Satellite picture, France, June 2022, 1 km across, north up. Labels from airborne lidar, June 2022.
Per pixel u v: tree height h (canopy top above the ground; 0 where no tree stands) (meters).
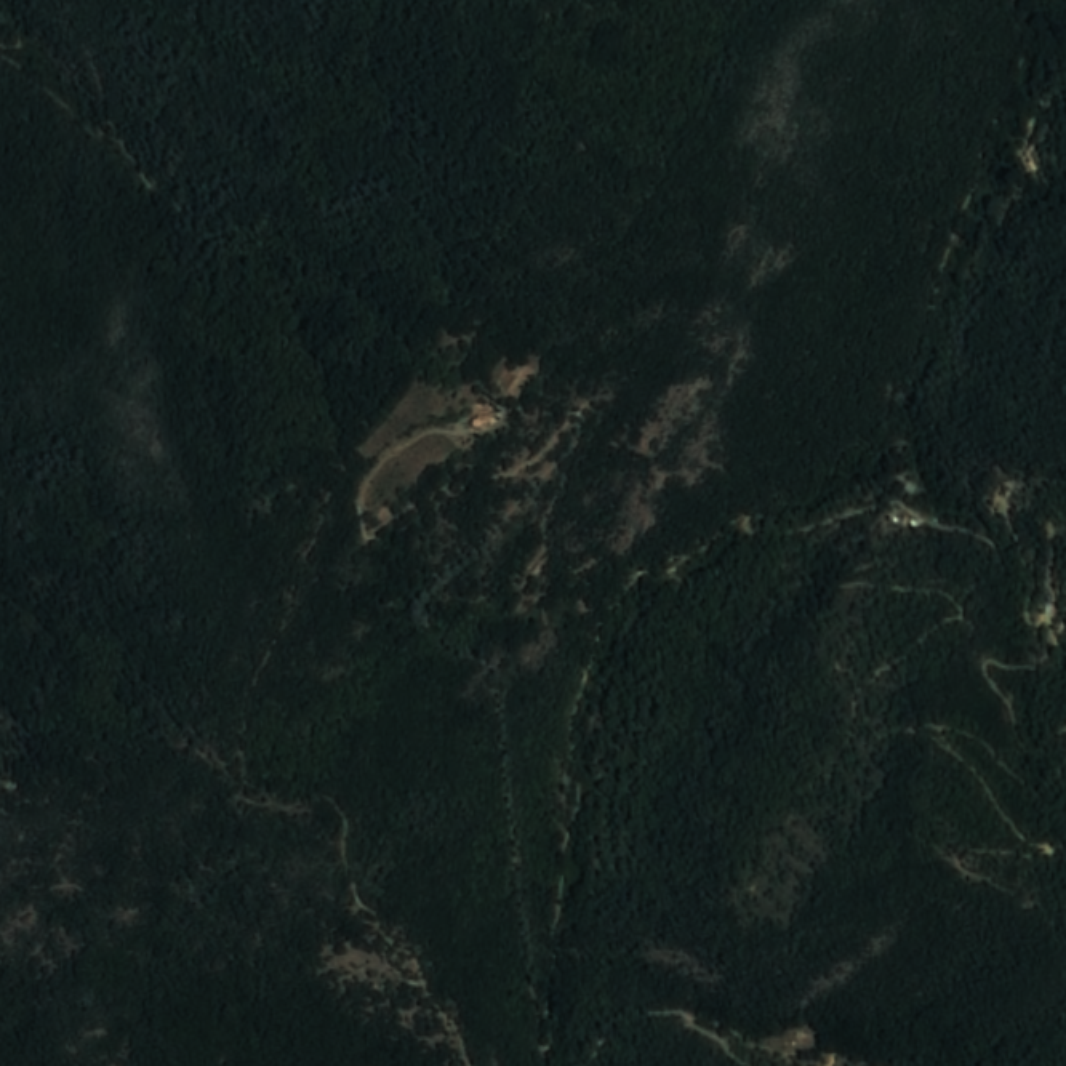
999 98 13
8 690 18
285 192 13
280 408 12
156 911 10
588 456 9
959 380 9
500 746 8
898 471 10
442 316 15
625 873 11
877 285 15
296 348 16
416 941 6
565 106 10
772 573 10
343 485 13
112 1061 8
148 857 12
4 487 6
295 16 8
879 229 13
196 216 16
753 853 9
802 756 11
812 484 14
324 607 7
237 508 14
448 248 8
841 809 8
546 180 13
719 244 10
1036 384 11
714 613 14
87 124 9
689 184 12
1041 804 12
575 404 9
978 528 10
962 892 13
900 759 7
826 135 7
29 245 11
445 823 9
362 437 12
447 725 9
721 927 14
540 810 10
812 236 10
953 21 10
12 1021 15
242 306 15
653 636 7
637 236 6
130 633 15
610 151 8
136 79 12
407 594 14
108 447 7
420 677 12
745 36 8
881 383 11
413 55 14
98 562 8
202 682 9
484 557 9
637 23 13
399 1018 7
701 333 9
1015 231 10
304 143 12
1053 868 12
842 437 15
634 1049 8
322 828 10
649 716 13
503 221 14
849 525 8
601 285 7
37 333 8
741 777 8
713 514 15
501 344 19
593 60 14
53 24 7
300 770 8
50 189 8
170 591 12
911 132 11
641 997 7
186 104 10
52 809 9
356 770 8
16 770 15
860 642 6
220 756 7
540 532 13
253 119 14
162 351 12
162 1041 11
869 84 8
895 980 7
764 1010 11
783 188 8
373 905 6
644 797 10
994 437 11
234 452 11
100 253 8
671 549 12
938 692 8
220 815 10
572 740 7
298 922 6
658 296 13
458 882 7
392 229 14
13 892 6
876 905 12
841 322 11
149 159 11
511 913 8
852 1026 15
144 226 15
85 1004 13
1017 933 11
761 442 14
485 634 11
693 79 12
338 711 8
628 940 10
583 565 12
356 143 13
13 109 16
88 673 11
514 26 13
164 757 8
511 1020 10
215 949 8
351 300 13
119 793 7
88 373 7
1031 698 10
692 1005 9
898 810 11
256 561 7
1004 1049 17
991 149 17
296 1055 11
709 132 10
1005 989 8
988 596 8
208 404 12
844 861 7
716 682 8
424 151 17
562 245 7
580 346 12
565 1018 8
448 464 8
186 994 7
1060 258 7
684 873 9
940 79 11
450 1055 8
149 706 17
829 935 8
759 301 9
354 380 15
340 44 14
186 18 18
